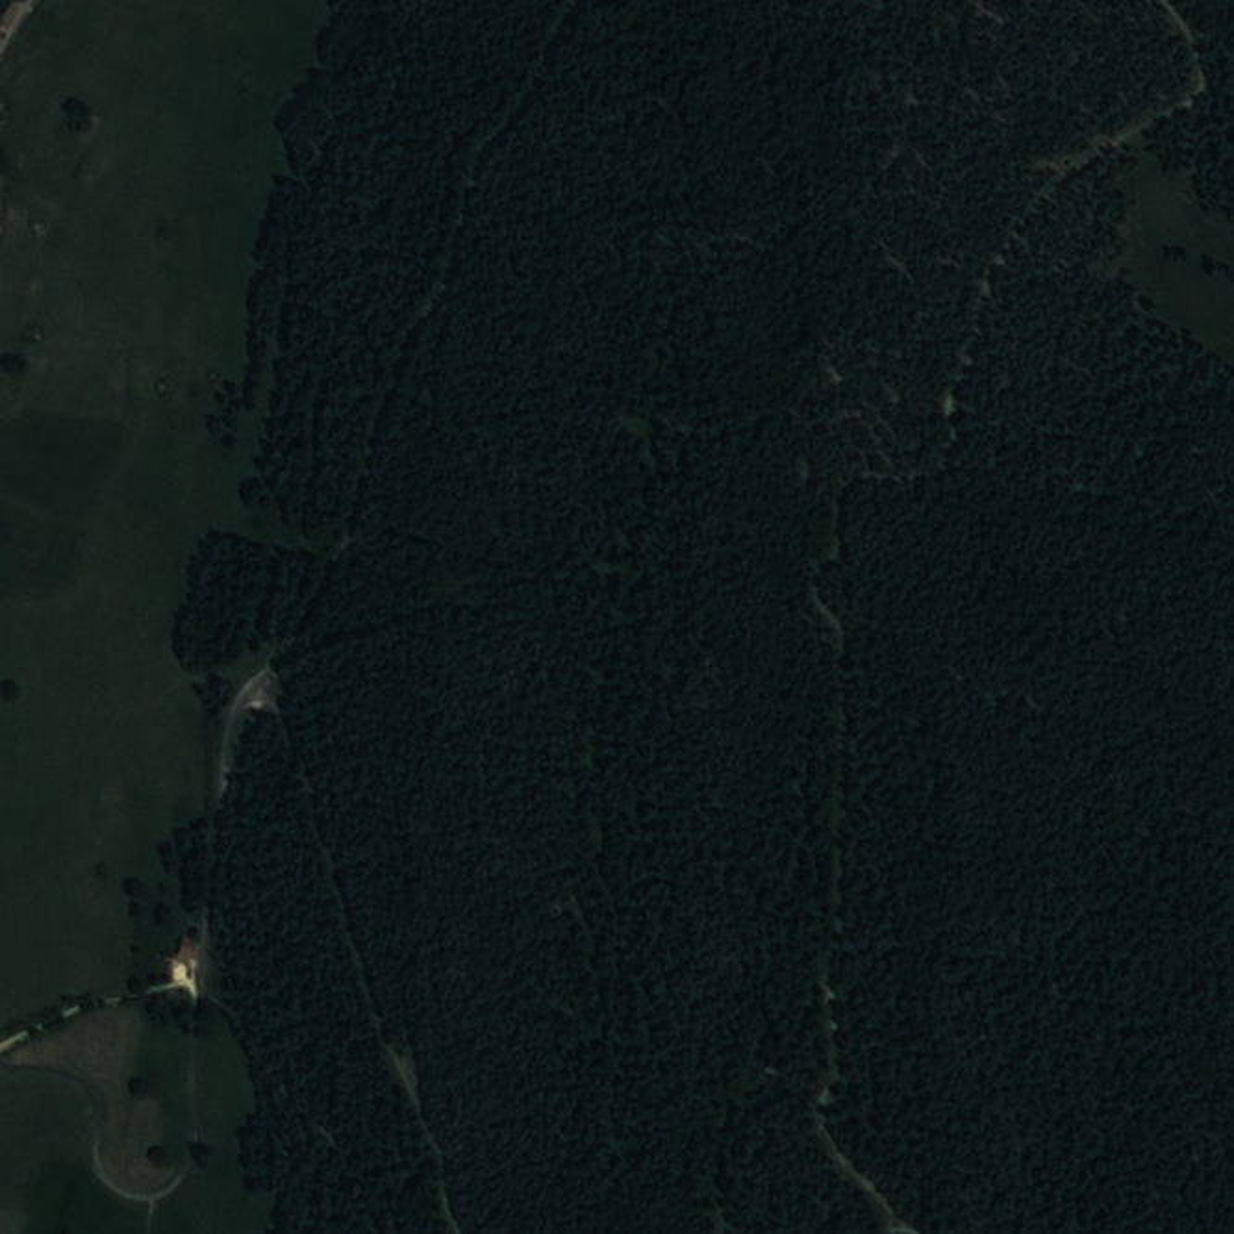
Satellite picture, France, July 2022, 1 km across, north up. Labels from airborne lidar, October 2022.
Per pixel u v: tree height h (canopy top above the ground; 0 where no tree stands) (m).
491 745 20
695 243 25
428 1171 23
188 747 0
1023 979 12
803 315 17
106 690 0
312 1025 24
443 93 29
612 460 21
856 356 18
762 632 18
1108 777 27
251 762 24
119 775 0
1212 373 35
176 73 0
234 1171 0
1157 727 10
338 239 29
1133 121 18
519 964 10
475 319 21
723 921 17
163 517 0
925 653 24
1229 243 0
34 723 0
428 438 26
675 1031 20
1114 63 20
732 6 19
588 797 28
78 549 0
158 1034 0
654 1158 19
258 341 19
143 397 0
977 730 19
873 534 19
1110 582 15
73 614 0
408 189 28
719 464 18
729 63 21
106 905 0
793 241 30
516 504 15
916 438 19
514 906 11
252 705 0
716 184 22
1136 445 21
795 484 28
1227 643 19
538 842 16
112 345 0
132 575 0
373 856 19
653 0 19
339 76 14
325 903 27
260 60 0
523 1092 18
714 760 15
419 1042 18
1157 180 0
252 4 0
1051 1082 18
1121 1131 22
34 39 0
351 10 16
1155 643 17
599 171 23
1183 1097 20
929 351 18
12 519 0
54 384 0
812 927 29
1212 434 16
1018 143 18
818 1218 22
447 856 15
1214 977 22
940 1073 17
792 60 23
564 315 23
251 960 25
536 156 16
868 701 17
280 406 20
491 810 18
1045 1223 17
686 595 15
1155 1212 26
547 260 21
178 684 0
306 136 23
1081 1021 21
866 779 22
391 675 23
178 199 0
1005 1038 9
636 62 21
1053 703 16
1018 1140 15
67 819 0
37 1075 0
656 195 17
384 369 14
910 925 26
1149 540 23
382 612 11
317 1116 26
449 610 9
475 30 23
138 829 0
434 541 17
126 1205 0
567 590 20
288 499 18
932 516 21
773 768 20
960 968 21
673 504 26
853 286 22
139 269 0
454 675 21
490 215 16
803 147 18
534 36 25
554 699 16
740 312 15
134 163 0
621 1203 25
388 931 24
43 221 0
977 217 15
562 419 16
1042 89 23
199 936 12
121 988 0
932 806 18
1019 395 17
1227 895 14
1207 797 23
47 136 0
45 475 0
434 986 9
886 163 15
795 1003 16
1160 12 18
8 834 0
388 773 23
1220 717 22
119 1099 0
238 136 0
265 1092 11
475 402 19
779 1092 9
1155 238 0
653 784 27
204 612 17
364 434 17
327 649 16
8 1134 0
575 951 16
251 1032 20
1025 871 12
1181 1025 17
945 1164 17
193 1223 0
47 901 0
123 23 0
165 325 0
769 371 18
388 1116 18
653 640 28
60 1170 0
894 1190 13
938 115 16
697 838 19
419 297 25
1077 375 26
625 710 7
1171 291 0
